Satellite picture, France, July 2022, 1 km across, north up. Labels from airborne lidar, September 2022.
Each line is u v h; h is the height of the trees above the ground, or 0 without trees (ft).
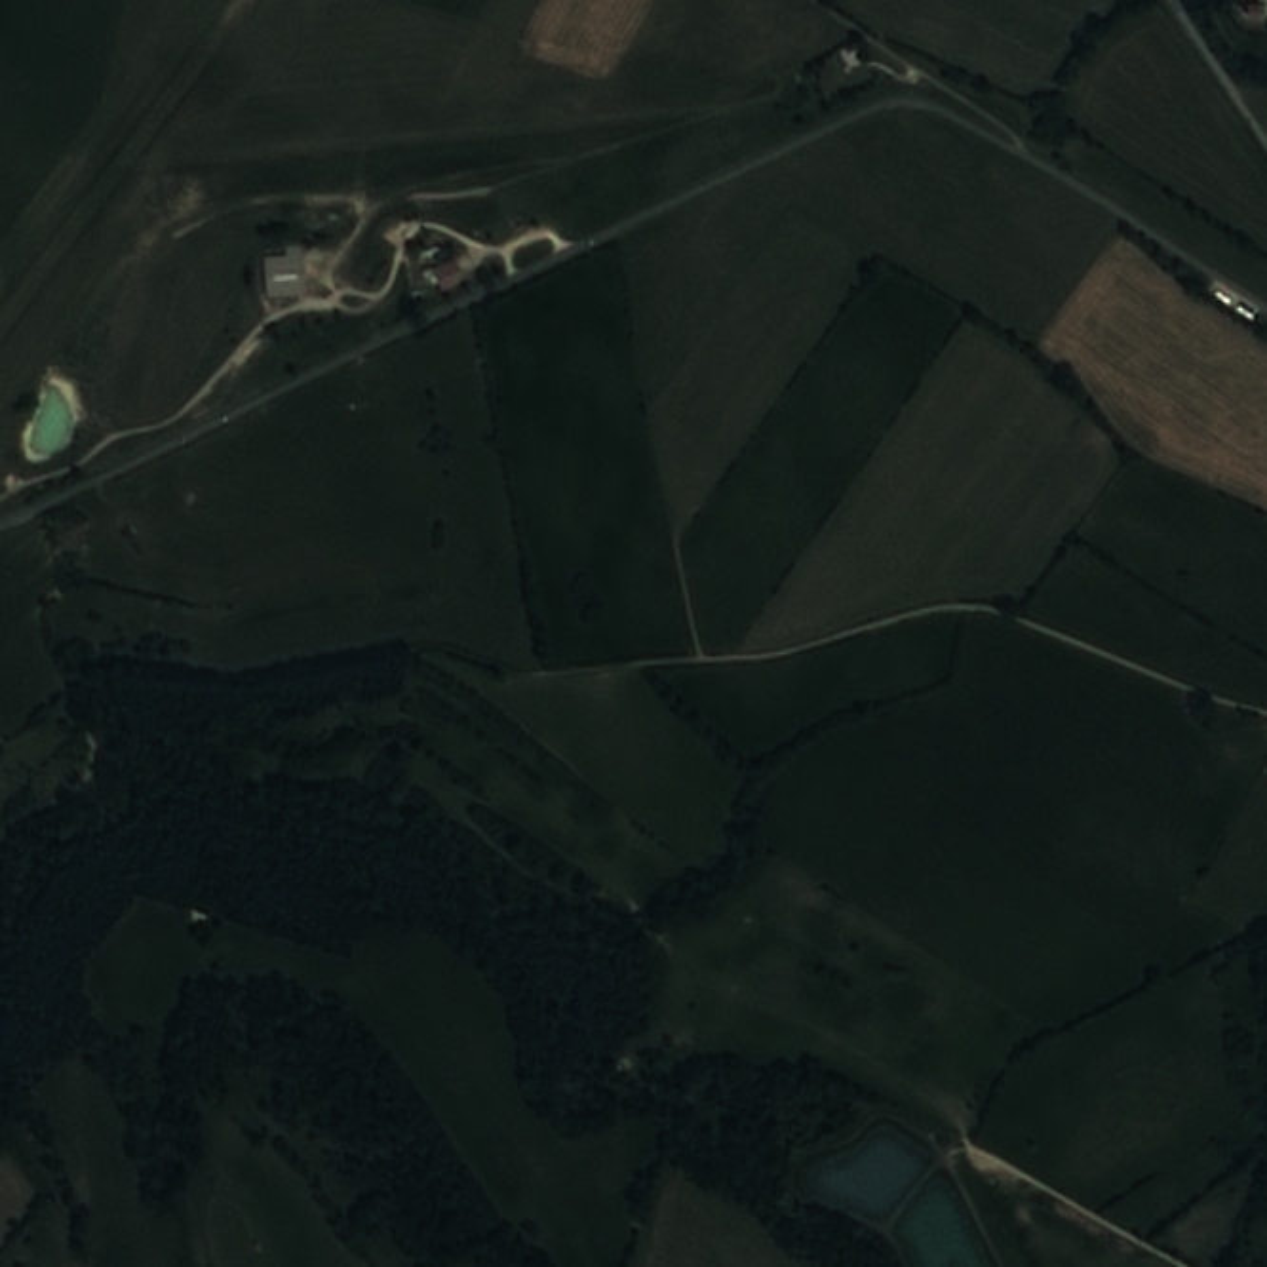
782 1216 41
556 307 0
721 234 0
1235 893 0
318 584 0
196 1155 61
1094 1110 0
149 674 84
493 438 19
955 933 0
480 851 19
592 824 0
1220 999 0
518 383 0
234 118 0
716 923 0
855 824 0
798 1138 40
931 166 0
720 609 0
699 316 0
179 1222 0
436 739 0
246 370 0
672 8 0
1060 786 0
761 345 0
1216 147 0
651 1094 48
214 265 0
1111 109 0
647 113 0
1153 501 0
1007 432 0
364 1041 92
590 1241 0
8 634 0
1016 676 0
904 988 0
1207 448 0
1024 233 0
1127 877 0
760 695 0
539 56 0
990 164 0
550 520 0
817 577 0
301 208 0
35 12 0
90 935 50
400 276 0
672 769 0
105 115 0
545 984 48
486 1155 0
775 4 0
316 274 0
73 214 0
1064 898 0
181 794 27
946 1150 0
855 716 28
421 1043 0
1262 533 0
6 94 0
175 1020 48
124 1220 0
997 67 0
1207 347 0
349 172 0
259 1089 0
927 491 0
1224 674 0
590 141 0
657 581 0
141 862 48
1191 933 0
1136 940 0
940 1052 0
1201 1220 0
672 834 0
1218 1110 0
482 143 0
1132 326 0
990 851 0
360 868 85
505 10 0
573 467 0
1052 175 0
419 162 0
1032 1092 0
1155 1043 0
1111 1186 0
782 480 0
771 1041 0
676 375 0
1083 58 51
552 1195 0
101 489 0
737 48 0
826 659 0
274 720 38
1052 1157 0
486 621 0
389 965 0
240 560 0
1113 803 0
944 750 0
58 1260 0
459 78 0
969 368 0
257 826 68
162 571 0
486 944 64
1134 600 0
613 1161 0
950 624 0
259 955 0
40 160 0
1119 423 0
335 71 0
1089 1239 0
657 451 0
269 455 0
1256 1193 25
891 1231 0
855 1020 0
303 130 0
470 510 0
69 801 56
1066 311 0
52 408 0
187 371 0
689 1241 0
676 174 0
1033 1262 0
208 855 77
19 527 0
